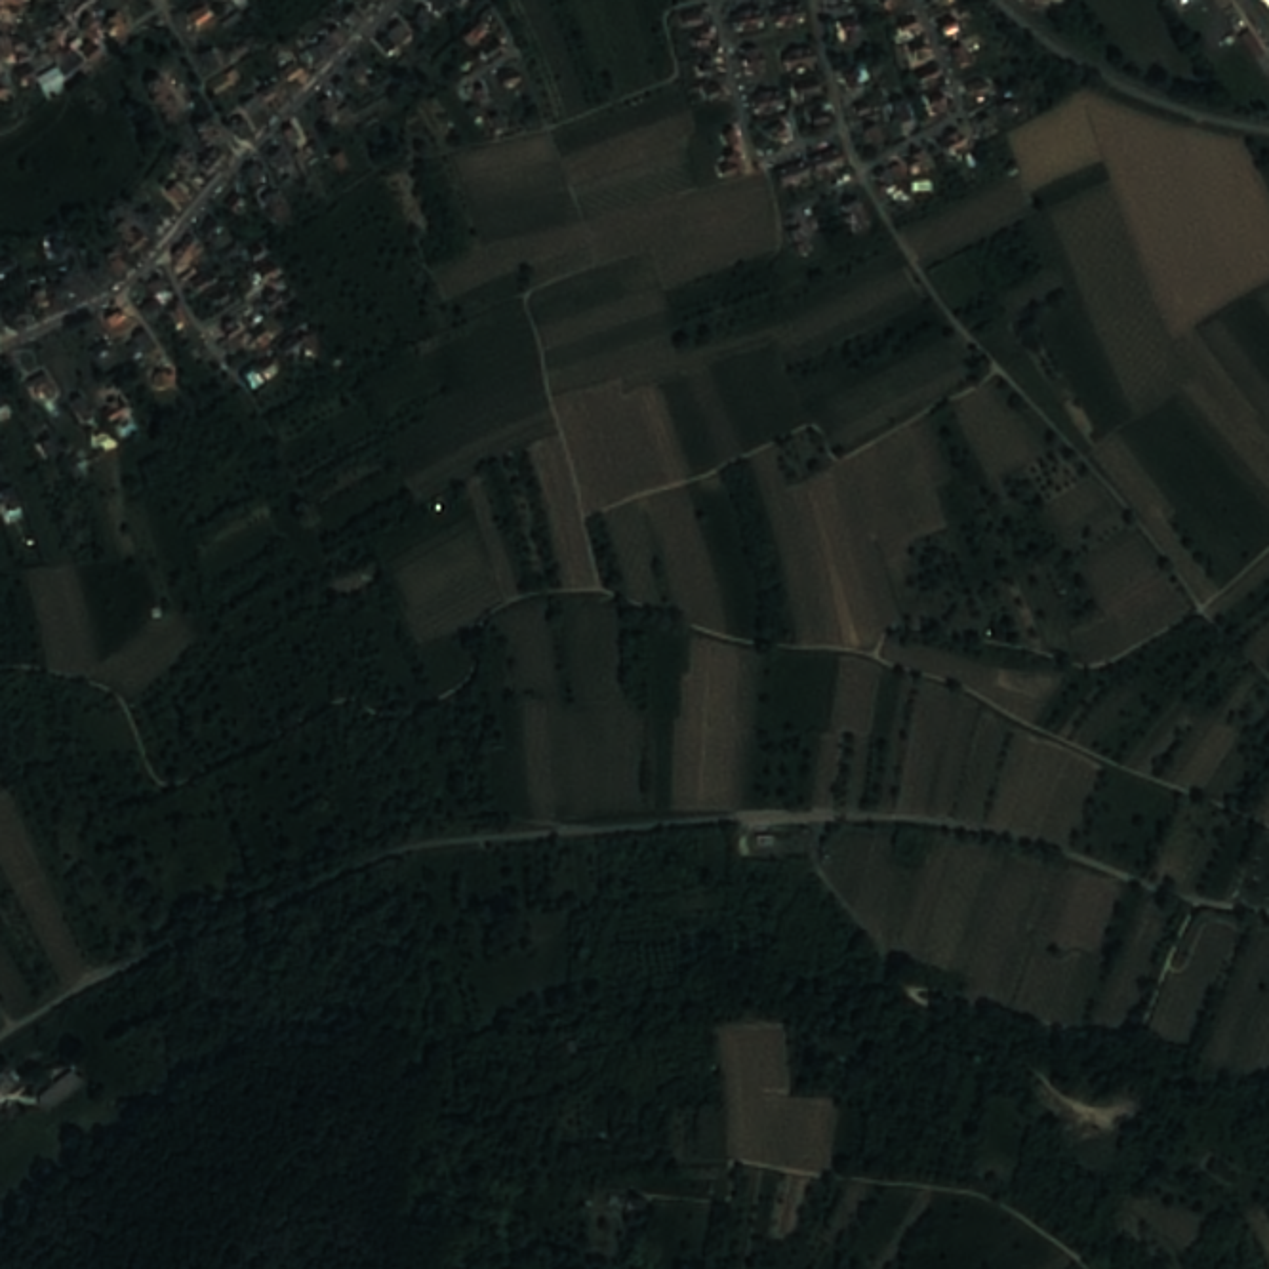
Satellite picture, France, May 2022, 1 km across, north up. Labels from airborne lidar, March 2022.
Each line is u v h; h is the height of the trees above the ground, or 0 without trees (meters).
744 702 0
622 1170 0
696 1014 13
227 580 7
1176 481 0
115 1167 18
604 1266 15
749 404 0
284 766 7
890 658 0
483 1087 17
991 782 0
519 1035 9
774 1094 0
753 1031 0
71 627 0
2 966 0
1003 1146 0
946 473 0
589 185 0
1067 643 0
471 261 0
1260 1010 0
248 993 11
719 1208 7
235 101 0
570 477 0
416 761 5
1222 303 0
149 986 7
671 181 0
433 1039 10
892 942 0
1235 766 0
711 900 0
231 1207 18
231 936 15
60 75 0
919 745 0
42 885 0
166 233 0
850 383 0
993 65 0
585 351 0
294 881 9
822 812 0
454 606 0
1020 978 0
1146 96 0
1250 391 0
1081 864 0
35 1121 0
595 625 0
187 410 17
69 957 0
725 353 0
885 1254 0
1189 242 0
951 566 7
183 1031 6
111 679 0
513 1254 16
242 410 0
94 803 8
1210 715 0
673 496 0
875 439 0
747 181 0
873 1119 7
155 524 0
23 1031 0
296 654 7
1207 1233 8
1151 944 0
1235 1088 8
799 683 0
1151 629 0
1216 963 0
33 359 0
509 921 24
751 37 0
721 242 0
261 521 0
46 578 0
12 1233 17
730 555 0
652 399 0
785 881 6
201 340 0
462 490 12
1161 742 0
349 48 0
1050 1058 15
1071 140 0
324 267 0
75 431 0
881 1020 10
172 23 0
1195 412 0
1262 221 0
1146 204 0
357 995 13
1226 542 0
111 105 0
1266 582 0
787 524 0
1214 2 0
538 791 0
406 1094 16
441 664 0
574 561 0
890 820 0
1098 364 0
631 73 0
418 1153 9
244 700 0
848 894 0
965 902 0
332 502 0
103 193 0
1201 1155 0
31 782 6
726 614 0
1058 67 7
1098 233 0
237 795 9
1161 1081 7
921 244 0
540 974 0
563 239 0
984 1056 9
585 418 0
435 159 0
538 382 0
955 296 0
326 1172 15
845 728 0
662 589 0
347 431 0
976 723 0
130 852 11
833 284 0
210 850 0
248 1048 20
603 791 0
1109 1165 0
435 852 0
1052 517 0
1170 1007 0
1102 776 7
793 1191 0
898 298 0
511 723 0
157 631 0
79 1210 18
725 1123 0
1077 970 0
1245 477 0
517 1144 13
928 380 0
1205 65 10
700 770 0
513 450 0
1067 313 0
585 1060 7
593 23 0
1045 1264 0
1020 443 0
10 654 8
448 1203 17
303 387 6
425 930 8
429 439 0
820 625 0
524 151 0
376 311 8
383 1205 18
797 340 0
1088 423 0
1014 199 0
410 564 0
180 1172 20
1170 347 0
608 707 0
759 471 0
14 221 0
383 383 0
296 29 0
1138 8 0
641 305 0
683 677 0
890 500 0
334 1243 16
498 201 0
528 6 0
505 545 0
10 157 0
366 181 0
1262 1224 0
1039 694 0
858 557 0
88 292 0
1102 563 0
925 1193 0
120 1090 0
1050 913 0
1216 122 0
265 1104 20
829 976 6
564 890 0
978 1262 0
